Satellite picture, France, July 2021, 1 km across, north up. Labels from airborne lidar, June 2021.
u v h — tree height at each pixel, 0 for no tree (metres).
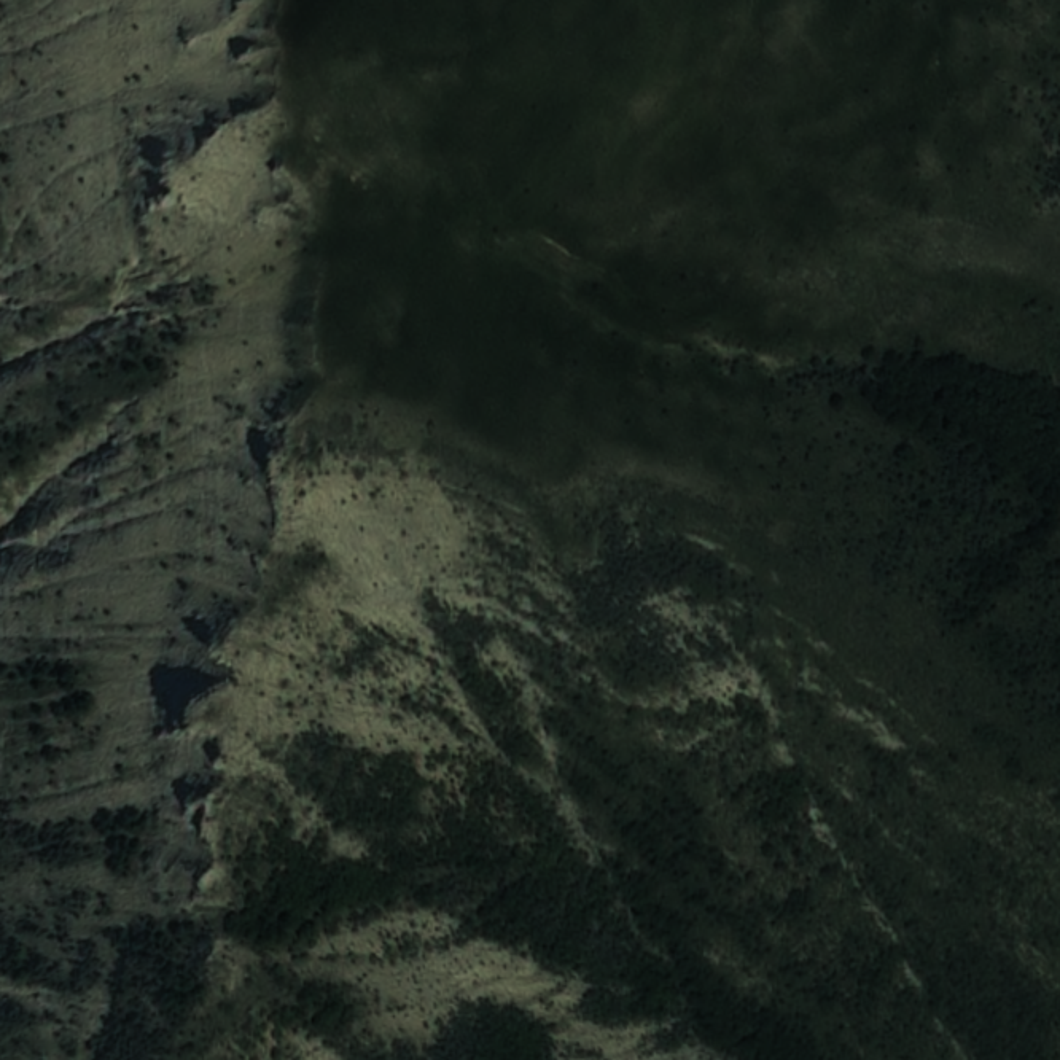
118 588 0
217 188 0
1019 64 0
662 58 0
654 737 0
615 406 0
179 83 0
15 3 0
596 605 7
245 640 0
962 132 0
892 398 19
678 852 9
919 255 0
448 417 0
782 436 8
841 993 7
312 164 0
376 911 6
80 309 0
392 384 0
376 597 0
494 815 7
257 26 0
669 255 0
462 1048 8
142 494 0
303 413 0
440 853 10
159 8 0
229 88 0
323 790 13
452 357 0
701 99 0
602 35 0
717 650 6
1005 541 9
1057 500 19
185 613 0
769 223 0
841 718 0
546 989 0
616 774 10
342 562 0
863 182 0
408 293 0
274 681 0
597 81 0
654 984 13
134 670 0
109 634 0
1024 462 18
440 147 0
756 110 0
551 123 0
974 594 8
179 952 8
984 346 0
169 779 0
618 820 8
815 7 0
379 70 0
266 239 0
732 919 9
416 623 0
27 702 0
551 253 0
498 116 0
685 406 0
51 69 0
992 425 22
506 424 0
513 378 0
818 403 0
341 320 0
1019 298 0
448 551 0
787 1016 6
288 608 0
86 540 0
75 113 0
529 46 0
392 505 0
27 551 0
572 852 9
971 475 8
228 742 0
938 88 0
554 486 0
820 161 0
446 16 0
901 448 12
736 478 0
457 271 0
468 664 11
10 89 0
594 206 0
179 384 0
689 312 0
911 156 0
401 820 9
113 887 0
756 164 0
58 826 6
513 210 0
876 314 0
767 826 6
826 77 0
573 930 12
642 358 0
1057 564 8
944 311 0
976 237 0
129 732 0
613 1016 12
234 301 0
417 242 0
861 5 0
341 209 0
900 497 7
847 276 0
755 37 0
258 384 0
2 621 0
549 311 0
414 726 0
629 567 8
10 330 0
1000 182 0
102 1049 9
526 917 10
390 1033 0
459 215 0
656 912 17
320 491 0
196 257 0
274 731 0
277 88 0
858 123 0
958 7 0
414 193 0
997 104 0
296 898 21
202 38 0
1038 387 21
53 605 0
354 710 0
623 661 6
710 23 0
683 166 0
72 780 0
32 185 0
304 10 0
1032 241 0
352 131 0
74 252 0
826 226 0
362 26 0
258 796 0
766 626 0
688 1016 7
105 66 0
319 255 0
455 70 0
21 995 0
